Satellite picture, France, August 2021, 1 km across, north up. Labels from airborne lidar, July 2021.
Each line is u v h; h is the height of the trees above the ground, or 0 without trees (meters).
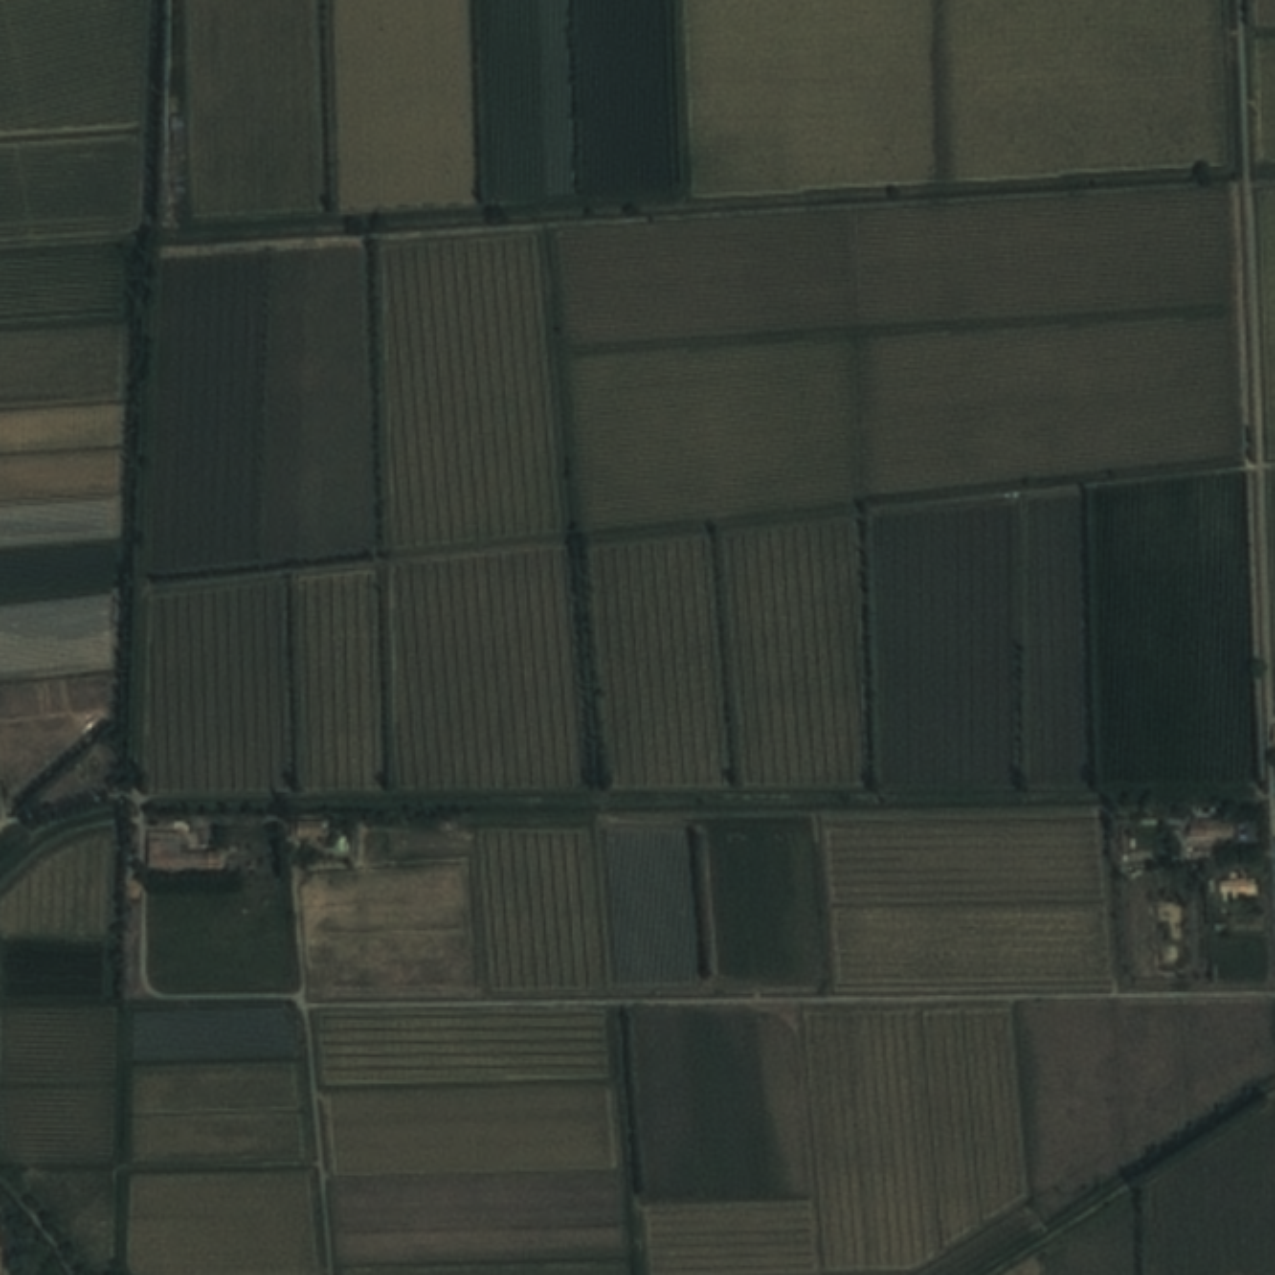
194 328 0
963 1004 0
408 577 0
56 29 0
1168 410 0
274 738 0
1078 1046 0
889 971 0
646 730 0
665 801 0
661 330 0
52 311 0
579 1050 0
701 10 0
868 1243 0
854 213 0
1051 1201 0
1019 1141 0
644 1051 0
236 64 0
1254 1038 0
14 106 0
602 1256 0
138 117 0
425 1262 0
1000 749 0
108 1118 0
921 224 0
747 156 0
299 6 0
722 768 0
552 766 0
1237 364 0
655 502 0
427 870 0
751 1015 0
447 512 0
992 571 0
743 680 0
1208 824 0
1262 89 0
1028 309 0
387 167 0
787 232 0
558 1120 0
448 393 0
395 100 0
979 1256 0
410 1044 0
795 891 0
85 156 0
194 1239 0
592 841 0
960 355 0
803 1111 0
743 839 0
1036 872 0
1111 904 0
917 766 0
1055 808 0
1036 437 0
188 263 0
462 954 0
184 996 0
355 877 0
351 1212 0
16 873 0
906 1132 0
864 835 0
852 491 0
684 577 0
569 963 0
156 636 0
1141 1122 0
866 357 0
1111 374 0
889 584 0
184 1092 0
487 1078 0
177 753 0
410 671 0
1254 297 0
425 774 0
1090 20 0
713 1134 0
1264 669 9
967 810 0
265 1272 0
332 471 0
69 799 0
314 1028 0
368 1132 0
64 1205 0
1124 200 0
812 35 0
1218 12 0
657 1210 0
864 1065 0
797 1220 0
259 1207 0
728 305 0
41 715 0
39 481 0
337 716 0
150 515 0
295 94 0
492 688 0
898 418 0
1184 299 0
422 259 0
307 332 0
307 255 0
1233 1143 0
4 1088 0
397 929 0
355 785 0
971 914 0
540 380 0
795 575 0
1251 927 0
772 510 0
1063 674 0
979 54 0
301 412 0
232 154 0
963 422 0
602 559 0
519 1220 0
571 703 0
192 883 16
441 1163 0
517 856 0
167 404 0
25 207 0
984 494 0
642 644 0
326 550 0
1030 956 0
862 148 0
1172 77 0
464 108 0
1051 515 0
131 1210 0
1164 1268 0
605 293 0
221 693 0
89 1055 0
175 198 0
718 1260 0
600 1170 0
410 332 0
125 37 0
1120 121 0
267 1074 0
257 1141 0
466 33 0
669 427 0
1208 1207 0
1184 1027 0
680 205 0
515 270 0
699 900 9
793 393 0
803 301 0
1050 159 0
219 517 0
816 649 0
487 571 0
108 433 0
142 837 0
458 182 0
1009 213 0
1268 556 0
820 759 0
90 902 0
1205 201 0
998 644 0
